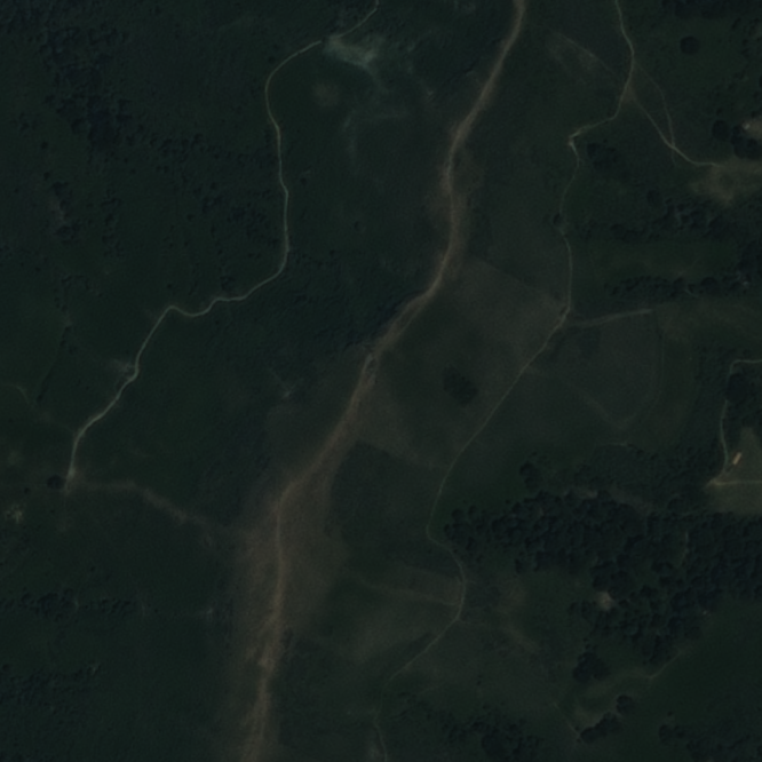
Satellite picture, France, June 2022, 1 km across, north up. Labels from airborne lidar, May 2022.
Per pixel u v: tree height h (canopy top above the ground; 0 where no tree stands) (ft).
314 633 0
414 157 0
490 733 46
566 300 0
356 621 0
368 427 0
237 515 0
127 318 0
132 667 0
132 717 0
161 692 0
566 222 70
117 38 45
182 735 0
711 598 53
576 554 81
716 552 35
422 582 0
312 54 0
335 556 0
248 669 0
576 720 0
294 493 0
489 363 0
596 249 0
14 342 0
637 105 0
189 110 0
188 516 0
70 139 0
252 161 20
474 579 0
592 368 0
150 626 0
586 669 70
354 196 0
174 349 0
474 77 0
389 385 0
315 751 0
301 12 0
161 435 0
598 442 0
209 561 0
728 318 0
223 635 0
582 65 0
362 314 0
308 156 0
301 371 0
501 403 0
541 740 29
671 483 34
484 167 0
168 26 0
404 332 0
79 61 43
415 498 0
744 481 0
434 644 0
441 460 0
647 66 0
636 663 0
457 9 0
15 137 0
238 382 0
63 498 0
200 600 0
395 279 0
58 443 0
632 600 98
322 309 0
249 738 0
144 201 0
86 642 0
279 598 0
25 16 89
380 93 0
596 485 30
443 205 0
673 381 0
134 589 0
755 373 30
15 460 0
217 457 0
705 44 0
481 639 0
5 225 0
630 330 0
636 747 0
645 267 0
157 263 0
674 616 46
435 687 0
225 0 0
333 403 0
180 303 0
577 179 0
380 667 0
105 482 0
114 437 0
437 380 0
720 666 0
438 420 0
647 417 0
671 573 102
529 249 0
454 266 0
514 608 0
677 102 0
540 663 0
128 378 0
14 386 0
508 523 71
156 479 0
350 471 0
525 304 0
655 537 60
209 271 0
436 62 0
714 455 40
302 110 0
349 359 0
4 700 51
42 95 0
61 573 0
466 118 0
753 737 21
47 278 0
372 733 0
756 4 45
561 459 0
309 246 0
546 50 0
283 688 0
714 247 0
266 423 0
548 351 0
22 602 20
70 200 80
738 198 0
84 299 0
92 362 0
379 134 0
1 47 0
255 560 0
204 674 0
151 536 0
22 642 0
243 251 0
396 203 0
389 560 0
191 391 0
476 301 0
